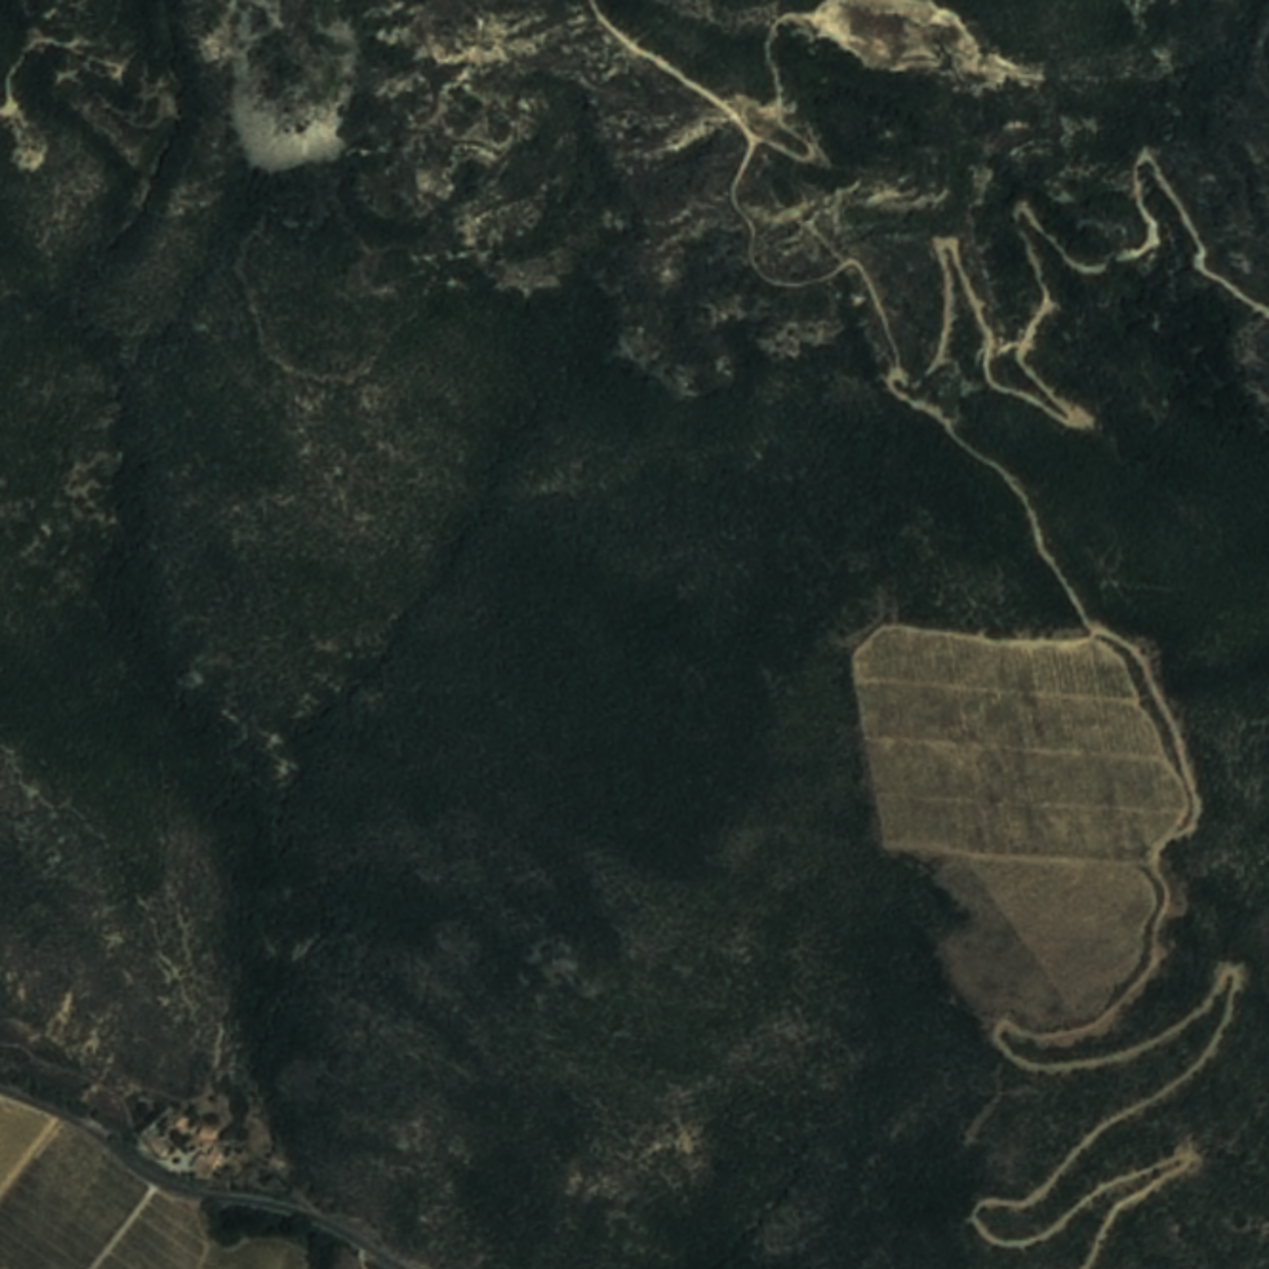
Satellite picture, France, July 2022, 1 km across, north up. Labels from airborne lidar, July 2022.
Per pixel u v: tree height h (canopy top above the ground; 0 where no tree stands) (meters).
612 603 7
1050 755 0
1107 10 6
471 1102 5
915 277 7
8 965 0
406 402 6
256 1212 7
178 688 9
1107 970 0
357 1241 0
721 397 6
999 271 6
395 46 7
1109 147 8
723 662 6
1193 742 6
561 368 8
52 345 7
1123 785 0
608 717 5
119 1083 0
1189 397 13
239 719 7
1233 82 7
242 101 0
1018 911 0
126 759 7
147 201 7
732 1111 6
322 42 6
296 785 8
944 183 6
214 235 8
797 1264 6
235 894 8
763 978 6
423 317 6
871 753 0
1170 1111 6
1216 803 7
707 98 0
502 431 11
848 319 7
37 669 7
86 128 7
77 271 8
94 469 8
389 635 8
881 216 7
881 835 0
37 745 7
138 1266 0
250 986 6
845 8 0
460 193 7
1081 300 6
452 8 0
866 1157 6
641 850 6
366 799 6
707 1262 11
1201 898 6
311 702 7
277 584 6
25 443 6
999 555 6
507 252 7
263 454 6
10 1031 0
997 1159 0
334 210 6
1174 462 6
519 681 5
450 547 8
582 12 7
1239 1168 5
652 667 6
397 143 6
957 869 0
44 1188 0
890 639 0
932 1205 6
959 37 0
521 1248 6
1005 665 0
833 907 6
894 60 0
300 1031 8
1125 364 6
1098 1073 5
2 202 7
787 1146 7
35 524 8
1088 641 0
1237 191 6
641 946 0
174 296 6
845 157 6
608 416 6
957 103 6
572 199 6
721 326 5
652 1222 6
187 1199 0
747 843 0
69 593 7
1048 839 0
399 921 7
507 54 0
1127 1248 6
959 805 0
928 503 6
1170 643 8
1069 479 7
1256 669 8
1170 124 10
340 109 7
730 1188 8
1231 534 6
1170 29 7
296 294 6
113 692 9
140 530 8
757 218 0
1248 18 7
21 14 8
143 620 10
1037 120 5
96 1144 0
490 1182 6
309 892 9
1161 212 12
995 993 0
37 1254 0
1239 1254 6
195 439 6
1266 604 6
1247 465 6
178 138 8
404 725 6
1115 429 6
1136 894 0
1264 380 8
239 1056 8
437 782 5
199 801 9
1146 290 10
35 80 6
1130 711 0
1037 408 7
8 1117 0
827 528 5
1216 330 10
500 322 7
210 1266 0
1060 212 10
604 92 0
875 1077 6
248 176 9
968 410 10
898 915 6
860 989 5
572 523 6
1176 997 6
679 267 9
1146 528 6
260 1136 0
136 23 10
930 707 0
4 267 7
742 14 0
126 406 10
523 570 6
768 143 0
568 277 6
